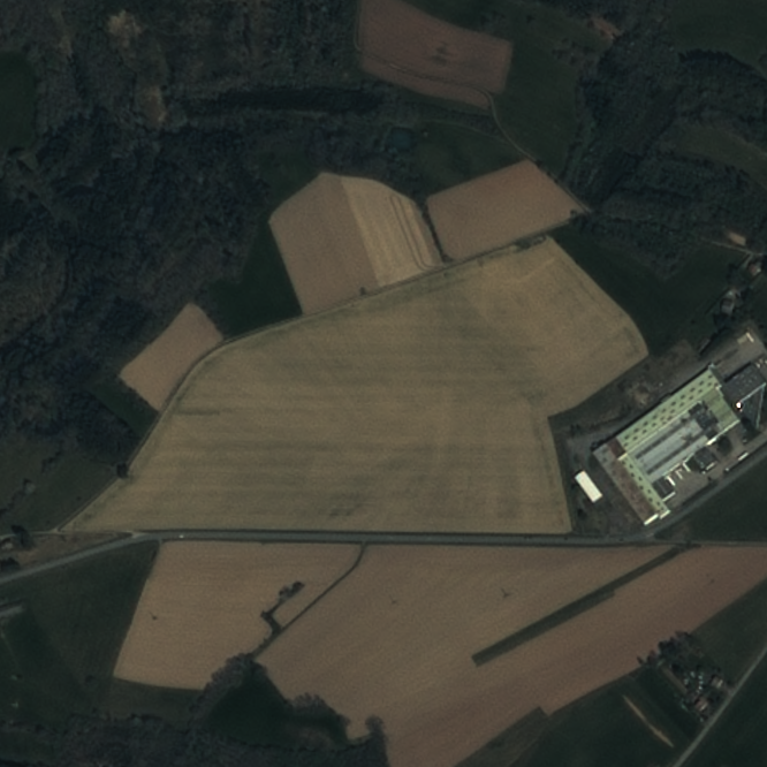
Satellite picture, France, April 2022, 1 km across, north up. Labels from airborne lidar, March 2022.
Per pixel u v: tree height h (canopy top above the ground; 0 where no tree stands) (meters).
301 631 0
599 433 0
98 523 0
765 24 0
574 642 0
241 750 19
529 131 0
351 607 0
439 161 0
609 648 0
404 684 0
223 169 14
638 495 0
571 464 0
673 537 0
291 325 0
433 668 0
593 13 18
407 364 0
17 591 0
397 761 0
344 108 15
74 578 0
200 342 0
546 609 0
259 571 0
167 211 24
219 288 0
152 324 19
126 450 22
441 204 0
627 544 0
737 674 0
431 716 0
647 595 0
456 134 0
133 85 6
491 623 0
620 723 0
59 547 0
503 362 0
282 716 0
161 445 0
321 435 0
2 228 19
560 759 0
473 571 0
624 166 14
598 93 33
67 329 30
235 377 0
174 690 0
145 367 0
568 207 0
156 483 0
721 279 0
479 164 0
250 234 17
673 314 0
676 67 15
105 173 9
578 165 15
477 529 0
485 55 0
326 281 0
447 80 0
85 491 0
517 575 0
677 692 0
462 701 0
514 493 0
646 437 0
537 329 0
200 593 0
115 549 0
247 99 12
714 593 0
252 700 0
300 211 0
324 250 0
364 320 0
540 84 0
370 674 0
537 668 0
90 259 32
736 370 0
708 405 0
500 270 0
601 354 0
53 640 0
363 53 0
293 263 0
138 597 0
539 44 0
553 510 0
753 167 0
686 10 0
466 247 0
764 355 0
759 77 17
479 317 0
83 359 21
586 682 0
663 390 0
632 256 16
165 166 19
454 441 0
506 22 13
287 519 0
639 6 14
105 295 31
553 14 0
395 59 0
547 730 0
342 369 0
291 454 0
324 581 0
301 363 0
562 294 0
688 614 0
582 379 0
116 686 0
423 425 0
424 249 0
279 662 0
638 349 0
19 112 0
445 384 0
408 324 0
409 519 0
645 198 23
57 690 0
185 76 15
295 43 20
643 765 0
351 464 0
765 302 0
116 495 0
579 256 0
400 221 0
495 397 0
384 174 21
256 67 13
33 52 18
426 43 0
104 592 0
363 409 0
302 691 0
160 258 21
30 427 22
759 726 0
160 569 0
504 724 0
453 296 0
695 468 0
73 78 7
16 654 0
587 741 0
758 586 0
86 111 13
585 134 18
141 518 0
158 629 0
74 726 13
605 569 0
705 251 0
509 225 0
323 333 0
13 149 0
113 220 29
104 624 0
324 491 0
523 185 0
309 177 0
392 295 0
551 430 0
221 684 22
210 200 12
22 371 20
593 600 0
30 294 13
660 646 0
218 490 0
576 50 11
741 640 0
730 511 0
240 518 0
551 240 0
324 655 0
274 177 0
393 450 0
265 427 0
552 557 0
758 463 0
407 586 0
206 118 10
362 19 0
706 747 0
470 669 0
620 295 0
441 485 0
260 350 0
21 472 0
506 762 0
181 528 0
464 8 0
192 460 0
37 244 30
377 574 0
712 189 21
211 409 0
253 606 0
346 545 0
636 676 0
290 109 13
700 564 0
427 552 0
